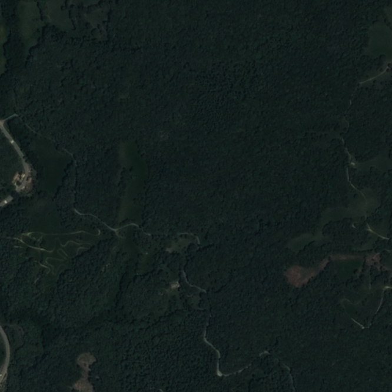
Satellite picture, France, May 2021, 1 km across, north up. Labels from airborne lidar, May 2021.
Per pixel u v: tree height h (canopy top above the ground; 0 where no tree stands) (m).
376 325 14
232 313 14
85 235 0
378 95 6
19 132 18
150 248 9
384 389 12
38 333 7
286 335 13
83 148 10
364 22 9
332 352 13
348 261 0
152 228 12
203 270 14
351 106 5
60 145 15
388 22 8
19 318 14
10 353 0
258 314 9
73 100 17
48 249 0
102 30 13
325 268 7
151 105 12
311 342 9
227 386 10
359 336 10
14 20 21
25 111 8
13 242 9
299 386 12
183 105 8
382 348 16
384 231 0
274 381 11
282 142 8
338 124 8
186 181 9
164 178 12
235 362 10
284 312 17
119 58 20
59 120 11
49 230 0
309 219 11
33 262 13
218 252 17
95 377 19
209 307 12
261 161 8
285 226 14
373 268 10
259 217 17
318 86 6
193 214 16
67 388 12
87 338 12
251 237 17
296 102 7
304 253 9
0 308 17
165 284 15
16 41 25
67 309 7
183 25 14
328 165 6
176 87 9
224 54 15
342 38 8
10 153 15
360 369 15
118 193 9
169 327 12
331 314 9
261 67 12
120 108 11
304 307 9
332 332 11
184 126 7
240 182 11
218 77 17
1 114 21
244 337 11
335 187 7
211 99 7
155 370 12
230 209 14
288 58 7
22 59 23
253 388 20
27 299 10
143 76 20
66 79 11
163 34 16
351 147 6
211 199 14
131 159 0
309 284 8
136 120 16
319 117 6
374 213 7
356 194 8
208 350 12
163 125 9
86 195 11
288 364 17
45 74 20
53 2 0
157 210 12
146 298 9
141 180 0
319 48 10
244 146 9
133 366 16
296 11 11
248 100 15
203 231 15
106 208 14
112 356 14
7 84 21
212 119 6
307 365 13
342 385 16
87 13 9
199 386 12
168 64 17
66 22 0
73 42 14
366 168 0
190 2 17
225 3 15
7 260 10
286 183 6
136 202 7
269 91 10
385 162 0
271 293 10
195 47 16
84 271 12
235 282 10
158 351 9
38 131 16
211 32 11
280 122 6
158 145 15
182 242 0
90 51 16
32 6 0
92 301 13
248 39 9
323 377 12
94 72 18
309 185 6
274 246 11
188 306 9
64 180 16
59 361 18
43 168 9
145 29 11
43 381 8
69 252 0
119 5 18
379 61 9
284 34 11
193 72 14
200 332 9
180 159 13
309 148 8
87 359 0
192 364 12
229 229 17
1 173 13
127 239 0
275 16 10
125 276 13
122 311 19
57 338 20
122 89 11
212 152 10
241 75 15
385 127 8
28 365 12
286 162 5
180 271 10
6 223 13
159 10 15
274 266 9
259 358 13
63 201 18
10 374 8
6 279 10
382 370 13
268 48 9
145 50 16
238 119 7
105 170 12
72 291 12
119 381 14
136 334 19
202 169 12
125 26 14
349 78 6
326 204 8
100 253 15
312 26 10
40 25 0
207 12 14
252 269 15
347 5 8
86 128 15
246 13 11
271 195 12
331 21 6
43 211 0
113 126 11
